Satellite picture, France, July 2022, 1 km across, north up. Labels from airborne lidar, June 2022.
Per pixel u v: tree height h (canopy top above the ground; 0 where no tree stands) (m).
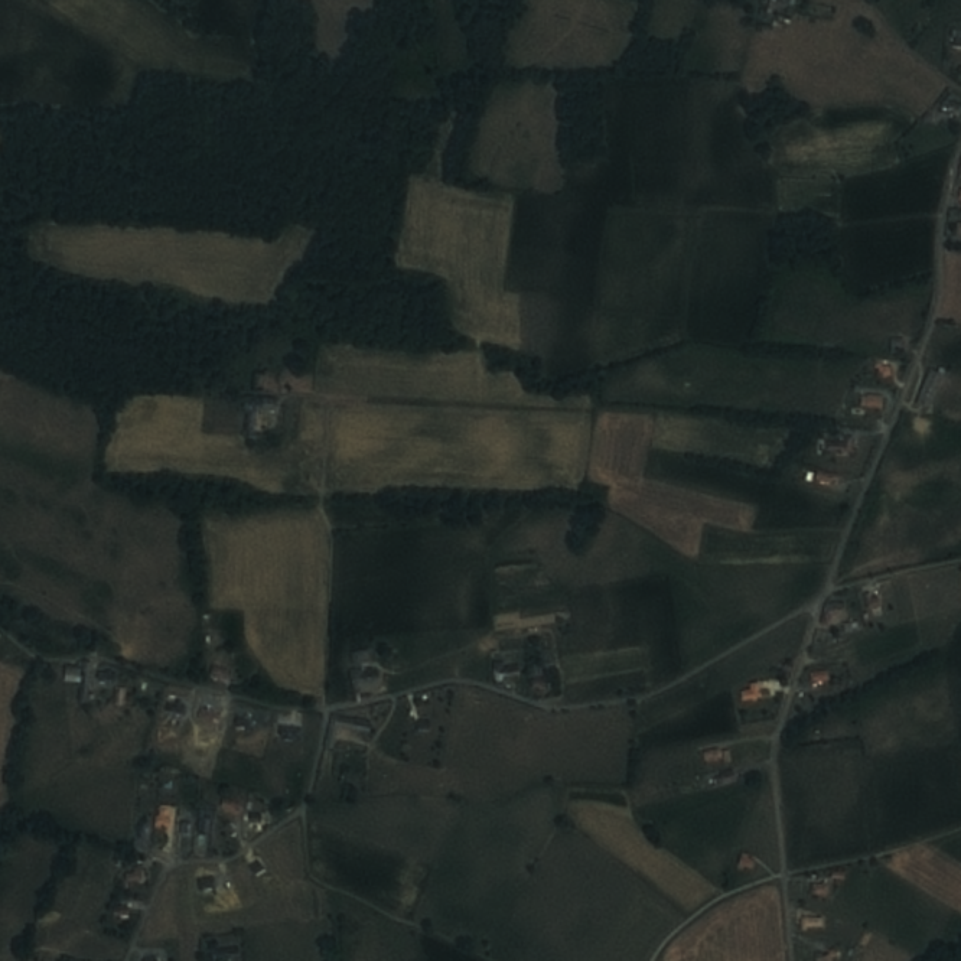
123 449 0
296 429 0
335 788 0
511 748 0
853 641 0
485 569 0
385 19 18
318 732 0
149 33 0
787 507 0
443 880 0
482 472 0
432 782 0
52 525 0
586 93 20
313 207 19
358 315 14
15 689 0
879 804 0
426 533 0
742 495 0
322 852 0
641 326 0
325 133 19
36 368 20
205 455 0
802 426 16
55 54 0
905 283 8
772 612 0
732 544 0
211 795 0
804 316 0
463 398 0
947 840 0
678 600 0
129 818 0
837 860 0
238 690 6
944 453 0
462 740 0
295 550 0
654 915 0
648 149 0
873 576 7
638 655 0
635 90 0
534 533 0
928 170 0
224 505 13
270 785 0
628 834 0
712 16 0
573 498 14
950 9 0
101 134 21
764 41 0
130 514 0
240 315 15
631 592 0
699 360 0
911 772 0
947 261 0
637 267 0
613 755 0
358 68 25
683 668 0
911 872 0
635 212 0
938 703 0
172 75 13
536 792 0
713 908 0
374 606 0
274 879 0
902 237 0
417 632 0
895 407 0
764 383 0
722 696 0
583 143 17
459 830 0
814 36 0
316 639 0
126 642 0
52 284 26
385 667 0
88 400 15
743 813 0
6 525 0
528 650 6
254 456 0
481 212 0
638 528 0
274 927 0
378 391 0
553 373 0
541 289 0
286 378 0
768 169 0
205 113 17
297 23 18
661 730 0
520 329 0
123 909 0
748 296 0
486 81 18
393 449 0
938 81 0
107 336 19
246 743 0
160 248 0
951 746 0
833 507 0
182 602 0
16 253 18
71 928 0
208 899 0
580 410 0
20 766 18
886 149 0
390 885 0
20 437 0
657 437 0
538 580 0
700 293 0
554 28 0
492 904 0
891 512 0
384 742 0
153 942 0
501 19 16
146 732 0
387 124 27
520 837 0
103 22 0
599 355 0
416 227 0
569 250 0
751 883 0
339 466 0
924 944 0
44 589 0
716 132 0
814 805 0
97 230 0
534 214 0
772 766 0
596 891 0
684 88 0
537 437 0
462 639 0
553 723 0
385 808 0
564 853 0
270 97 15
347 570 0
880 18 0
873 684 7
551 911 0
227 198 22
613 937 0
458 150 14
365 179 20
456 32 0
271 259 0
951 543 0
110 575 0
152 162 18
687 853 0
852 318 0
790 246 17
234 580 0
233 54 0
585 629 0
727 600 0
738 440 0
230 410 0
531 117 0
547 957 0
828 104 0
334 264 21
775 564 0
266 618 0
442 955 0
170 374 18
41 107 16
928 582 0
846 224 0
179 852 0
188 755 0
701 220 0
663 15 0
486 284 0
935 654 8
